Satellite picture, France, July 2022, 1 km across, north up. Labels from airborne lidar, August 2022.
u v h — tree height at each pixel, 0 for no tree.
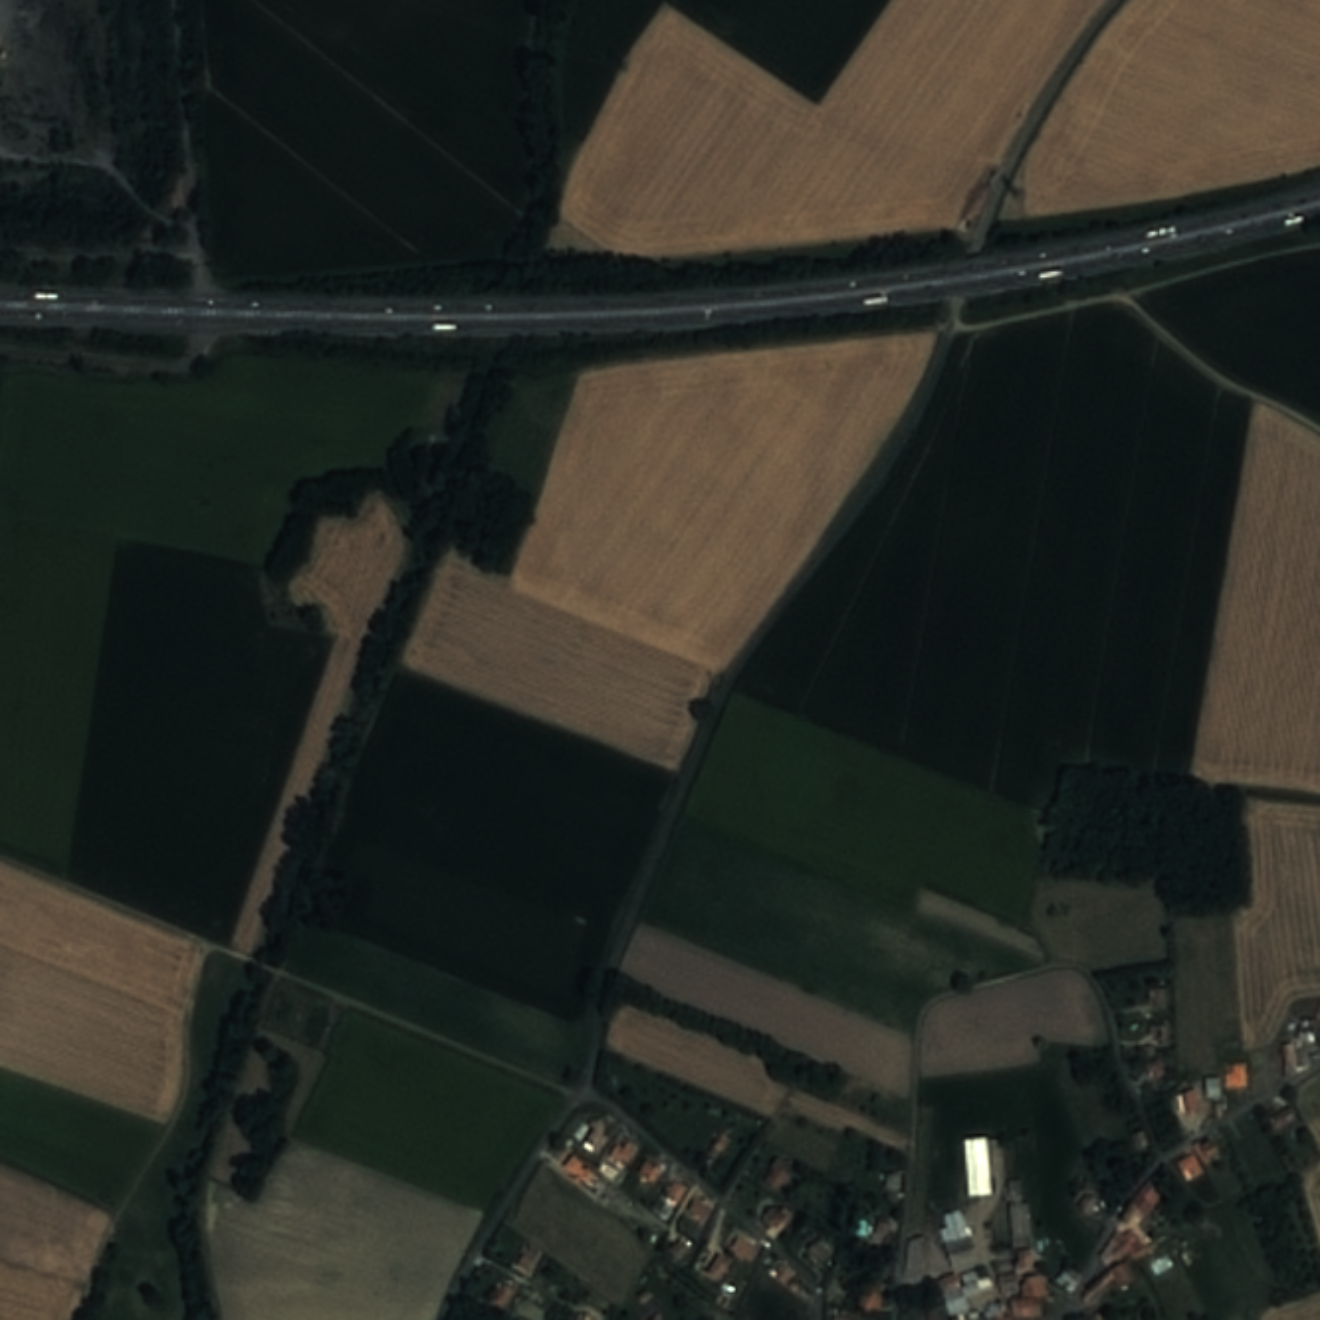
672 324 0
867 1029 0
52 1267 0
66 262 0
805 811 0
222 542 0
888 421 0
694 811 0
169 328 0
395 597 14
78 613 0
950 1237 0
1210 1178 0
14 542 0
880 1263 15
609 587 0
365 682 20
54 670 0
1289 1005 0
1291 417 0
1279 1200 8
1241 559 0
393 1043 0
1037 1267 9
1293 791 0
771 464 0
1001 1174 0
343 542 0
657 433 0
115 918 0
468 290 6
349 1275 0
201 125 9
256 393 0
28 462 0
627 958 0
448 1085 0
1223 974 0
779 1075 12
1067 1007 0
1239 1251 0
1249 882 14
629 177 0
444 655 0
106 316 0
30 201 14
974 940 0
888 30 0
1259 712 0
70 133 9
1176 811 19
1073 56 0
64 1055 0
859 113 0
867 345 0
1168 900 21
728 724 0
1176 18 0
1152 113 0
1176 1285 0
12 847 0
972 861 0
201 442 0
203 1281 9
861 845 0
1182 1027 0
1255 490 0
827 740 0
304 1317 0
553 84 5
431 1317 0
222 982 0
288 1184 0
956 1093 0
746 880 0
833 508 0
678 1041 0
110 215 10
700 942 0
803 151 0
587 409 0
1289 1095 9
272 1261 0
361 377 0
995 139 0
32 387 0
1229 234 0
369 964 0
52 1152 0
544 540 0
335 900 18
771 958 0
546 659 0
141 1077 0
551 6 31
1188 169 0
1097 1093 0
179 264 15
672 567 0
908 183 0
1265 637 0
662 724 0
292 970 0
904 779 0
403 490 17
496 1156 0
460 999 0
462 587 0
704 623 0
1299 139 0
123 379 0
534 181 17
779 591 0
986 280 0
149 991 0
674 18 0
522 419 0
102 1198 0
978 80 0
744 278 15
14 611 0
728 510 0
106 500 0
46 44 0
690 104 0
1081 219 0
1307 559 0
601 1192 0
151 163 8
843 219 0
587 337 10
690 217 0
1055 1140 0
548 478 0
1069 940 0
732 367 0
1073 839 10
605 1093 6
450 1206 0
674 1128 0
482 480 17
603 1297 0
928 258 14
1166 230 0
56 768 0
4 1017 0
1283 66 0
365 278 6
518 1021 0
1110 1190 14
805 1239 10
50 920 0
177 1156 0
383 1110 0
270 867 0
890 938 0
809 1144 0
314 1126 0
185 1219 15
